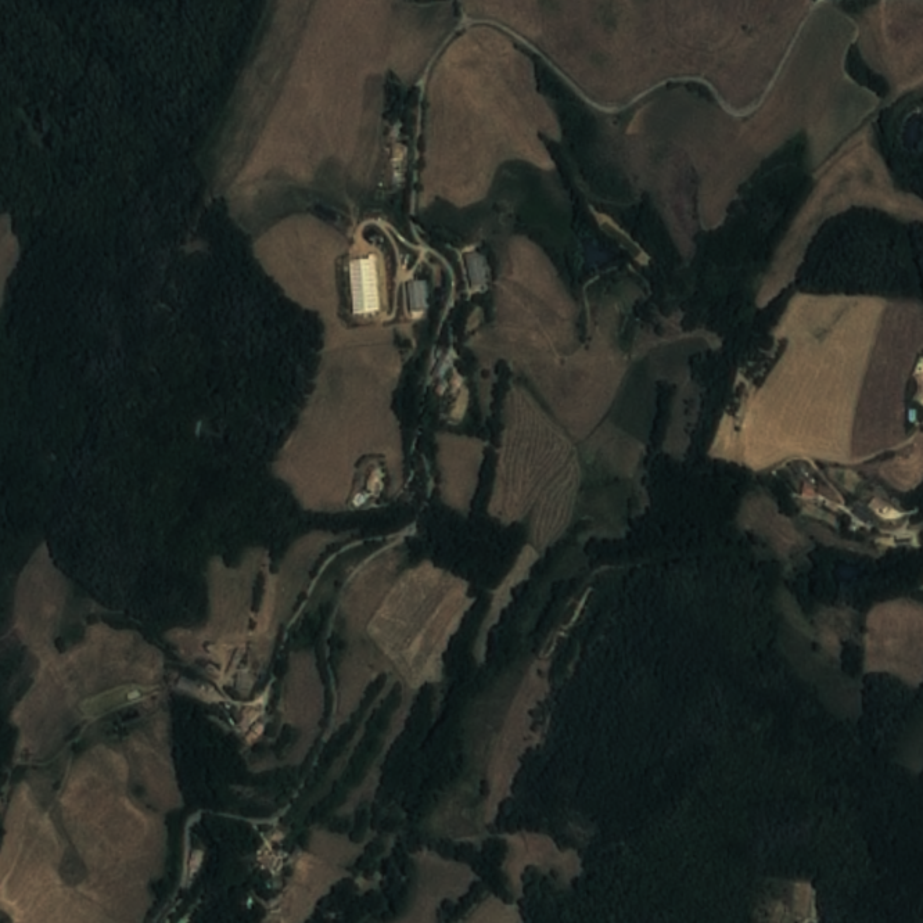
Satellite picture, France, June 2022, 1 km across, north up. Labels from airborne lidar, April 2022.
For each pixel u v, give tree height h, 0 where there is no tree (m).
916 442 0
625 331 0
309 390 10
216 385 20
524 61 0
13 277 8
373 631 0
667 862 19
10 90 22
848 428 0
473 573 14
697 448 8
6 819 0
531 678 0
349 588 0
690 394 0
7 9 21
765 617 15
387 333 0
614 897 20
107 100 23
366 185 0
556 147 11
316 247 0
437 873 0
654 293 8
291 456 0
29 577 0
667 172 0
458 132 0
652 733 5
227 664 0
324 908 21
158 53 20
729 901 15
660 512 12
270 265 0
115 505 22
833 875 13
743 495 10
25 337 14
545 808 8
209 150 0
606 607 12
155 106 18
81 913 0
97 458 20
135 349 13
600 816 12
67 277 12
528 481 0
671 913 15
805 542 0
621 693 13
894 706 16
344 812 0
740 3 0
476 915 0
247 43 12
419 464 7
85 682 0
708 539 24
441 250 7
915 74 0
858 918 20
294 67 0
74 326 14
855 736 15
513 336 0
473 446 0
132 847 0
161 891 13
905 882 13
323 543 0
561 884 0
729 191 0
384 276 0
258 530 15
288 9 0
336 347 0
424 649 0
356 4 0
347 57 0
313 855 0
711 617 15
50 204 19
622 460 0
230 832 15
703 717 11
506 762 0
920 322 0
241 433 13
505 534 13
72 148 24
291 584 0
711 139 0
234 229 7
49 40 18
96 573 17
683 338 0
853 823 16
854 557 9
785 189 6
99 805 0
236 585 0
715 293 10
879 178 0
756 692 17
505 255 0
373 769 0
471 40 0
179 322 8
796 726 18
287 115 0
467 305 9
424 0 7
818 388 0
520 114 0
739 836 18
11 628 0
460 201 0
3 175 19
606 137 0
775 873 12
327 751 10
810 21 0
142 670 0
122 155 21
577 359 0
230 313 21
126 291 14
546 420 0
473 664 22
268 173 0
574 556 0
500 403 12
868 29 0
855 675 9
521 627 20
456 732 24
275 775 10
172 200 10
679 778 14
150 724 0
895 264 18
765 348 8
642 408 0
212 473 21
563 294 0
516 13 0
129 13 19
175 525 22
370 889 0
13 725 8
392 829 22
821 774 19
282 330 19
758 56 0
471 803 0
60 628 0
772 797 17
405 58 0
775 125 0
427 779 27
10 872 0
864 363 0
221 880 28
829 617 0
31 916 0
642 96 0
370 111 0
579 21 0
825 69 0
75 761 0
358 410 0
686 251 0
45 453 14
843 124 0
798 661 0
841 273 16
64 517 15
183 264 11
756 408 0
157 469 21
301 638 19
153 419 19
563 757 7
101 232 15
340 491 0
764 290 0
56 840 0
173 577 16
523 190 0
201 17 18
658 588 18
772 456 0
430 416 11
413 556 6
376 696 12
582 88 0
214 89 15
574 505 0
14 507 15
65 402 13
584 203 12
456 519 15
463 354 13
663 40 0
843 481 0
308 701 0
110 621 8
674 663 14
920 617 0
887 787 19
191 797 14
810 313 0
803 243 0
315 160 0
